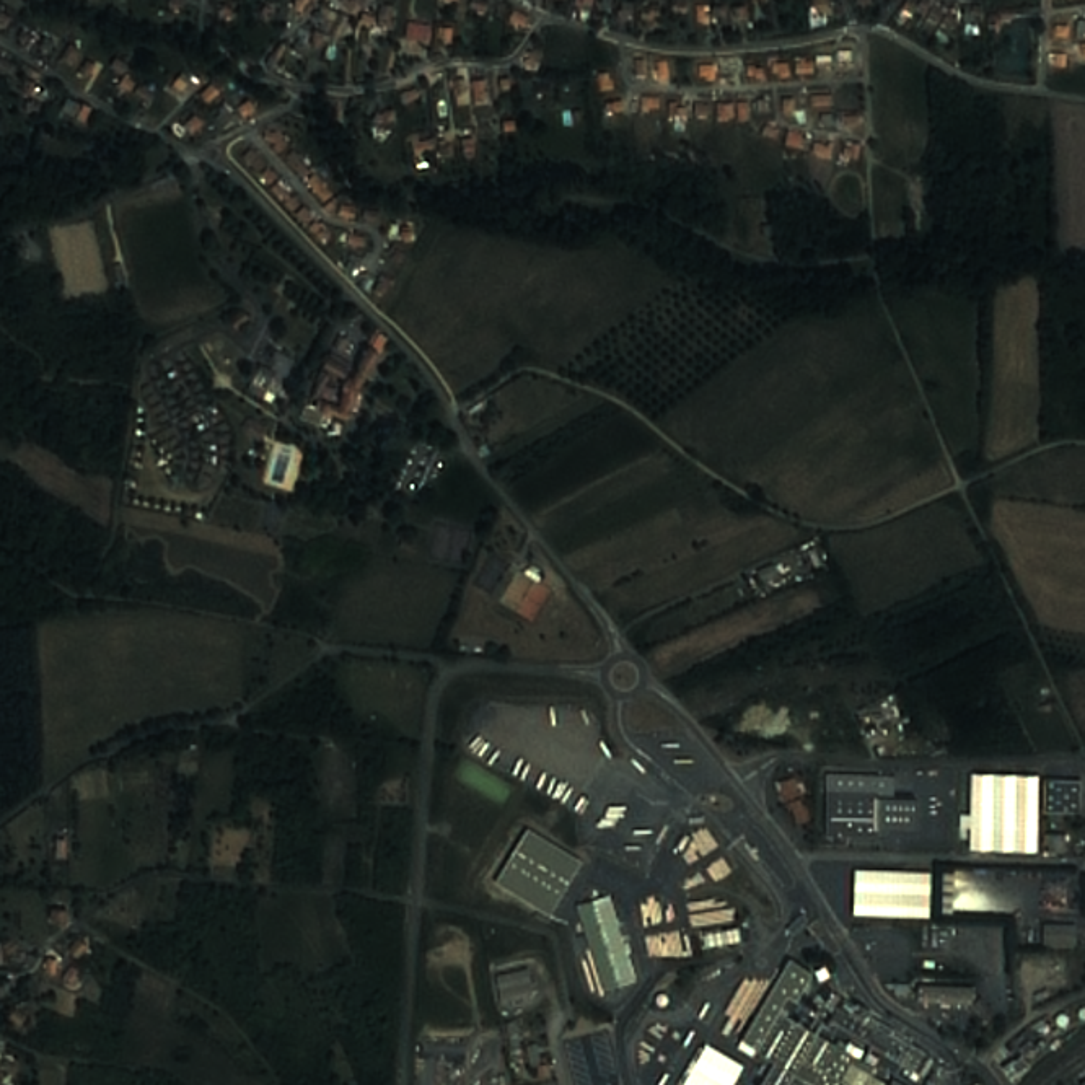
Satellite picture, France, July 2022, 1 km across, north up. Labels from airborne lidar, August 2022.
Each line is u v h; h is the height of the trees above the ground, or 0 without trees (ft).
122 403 40
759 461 0
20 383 26
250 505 0
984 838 0
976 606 25
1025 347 0
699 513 0
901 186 0
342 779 0
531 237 53
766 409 0
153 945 22
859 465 0
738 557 0
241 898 29
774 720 0
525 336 0
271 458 0
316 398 0
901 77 0
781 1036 0
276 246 27
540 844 0
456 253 0
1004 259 63
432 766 0
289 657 0
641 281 0
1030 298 0
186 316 0
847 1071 0
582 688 0
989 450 0
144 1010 0
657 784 0
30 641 77
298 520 0
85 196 52
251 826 21
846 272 56
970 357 0
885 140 0
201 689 0
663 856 0
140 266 0
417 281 0
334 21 0
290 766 29
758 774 0
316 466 45
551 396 0
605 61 0
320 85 30
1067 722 0
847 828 0
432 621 0
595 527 0
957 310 0
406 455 34
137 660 0
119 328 24
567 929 0
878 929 0
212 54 64
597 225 75
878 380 0
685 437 0
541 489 0
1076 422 0
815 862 0
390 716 0
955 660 29
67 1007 0
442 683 0
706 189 64
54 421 44
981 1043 39
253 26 18
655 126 0
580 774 0
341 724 24
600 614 0
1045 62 0
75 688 0
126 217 0
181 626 0
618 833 0
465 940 0
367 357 0
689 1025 0
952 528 0
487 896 0
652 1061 0
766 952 0
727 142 0
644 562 0
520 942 0
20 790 54
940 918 44
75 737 0
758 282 61
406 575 0
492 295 0
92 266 0
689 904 0
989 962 0
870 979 0
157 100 0
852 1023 0
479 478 0
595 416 24
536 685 0
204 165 26
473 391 20
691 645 0
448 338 0
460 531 0
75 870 0
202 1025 22
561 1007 0
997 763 0
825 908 0
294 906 0
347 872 20
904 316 0
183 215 0
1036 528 0
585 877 0
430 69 0
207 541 0
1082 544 0
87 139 41
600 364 24
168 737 34
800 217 62
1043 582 0
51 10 42
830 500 0
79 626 0
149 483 0
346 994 22
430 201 68
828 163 0
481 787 0
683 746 0
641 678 0
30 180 62
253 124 0
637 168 52
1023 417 0
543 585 0
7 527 31
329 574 0
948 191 55
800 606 0
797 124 0
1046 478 0
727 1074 0
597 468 0
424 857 0
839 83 0
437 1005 0
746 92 0
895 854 0
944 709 31
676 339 21
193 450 20
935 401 0
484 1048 0
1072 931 0
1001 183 69
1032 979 0
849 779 0
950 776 0
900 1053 0
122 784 0
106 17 56
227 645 0
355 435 39
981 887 0
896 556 0
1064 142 0
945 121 36
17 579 64
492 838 0
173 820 42
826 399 0
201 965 26
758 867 0
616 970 0
